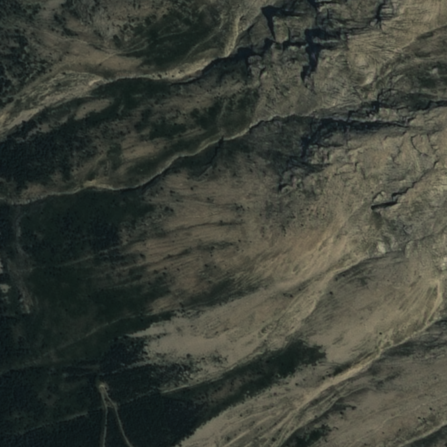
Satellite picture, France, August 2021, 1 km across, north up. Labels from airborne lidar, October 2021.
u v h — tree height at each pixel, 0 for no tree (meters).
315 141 0
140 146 0
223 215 0
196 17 0
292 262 0
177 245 0
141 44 0
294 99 0
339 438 0
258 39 0
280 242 0
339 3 0
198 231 0
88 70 0
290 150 0
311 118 0
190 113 0
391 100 0
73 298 0
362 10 0
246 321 0
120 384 6
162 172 0
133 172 0
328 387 0
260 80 0
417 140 0
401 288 0
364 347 0
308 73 0
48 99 0
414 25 0
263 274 0
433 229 0
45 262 7
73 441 8
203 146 0
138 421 8
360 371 0
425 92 0
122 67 0
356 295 0
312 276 0
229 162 0
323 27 0
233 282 0
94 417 7
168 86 0
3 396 13
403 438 0
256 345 0
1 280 7
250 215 0
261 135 0
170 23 0
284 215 0
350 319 0
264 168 0
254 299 0
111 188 0
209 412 0
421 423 0
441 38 0
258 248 0
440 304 0
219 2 0
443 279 0
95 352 0
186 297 0
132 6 0
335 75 0
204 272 0
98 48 0
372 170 0
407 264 0
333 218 0
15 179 9
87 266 0
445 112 0
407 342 0
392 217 0
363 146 0
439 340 0
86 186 0
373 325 0
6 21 0
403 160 0
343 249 0
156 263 0
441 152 0
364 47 0
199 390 0
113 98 0
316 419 0
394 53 0
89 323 0
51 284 0
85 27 0
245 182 0
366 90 0
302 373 0
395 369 0
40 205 0
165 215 0
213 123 0
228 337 0
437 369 0
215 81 0
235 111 0
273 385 0
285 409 0
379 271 0
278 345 0
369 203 0
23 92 0
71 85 0
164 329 0
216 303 0
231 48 0
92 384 6
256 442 0
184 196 0
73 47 0
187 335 0
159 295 0
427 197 0
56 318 0
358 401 0
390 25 0
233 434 0
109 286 0
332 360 0
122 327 0
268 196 0
